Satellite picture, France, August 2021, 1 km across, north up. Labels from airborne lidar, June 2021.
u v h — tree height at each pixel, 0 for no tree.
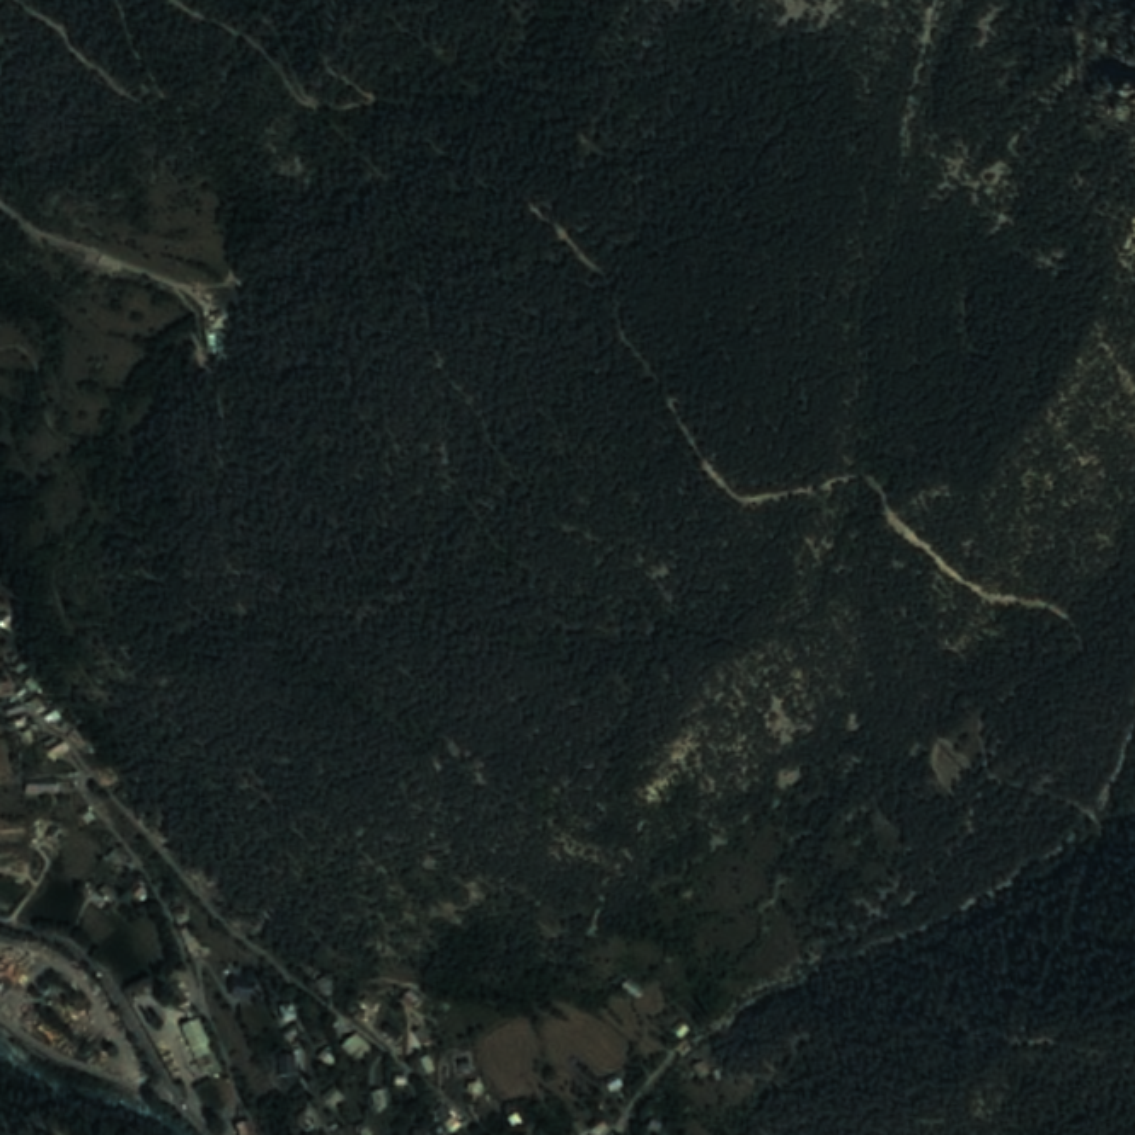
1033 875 12
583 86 12
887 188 8
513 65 11
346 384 7
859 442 12
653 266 11
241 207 12
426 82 14
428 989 11
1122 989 12
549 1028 0
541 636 9
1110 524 9
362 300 14
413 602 11
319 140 7
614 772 7
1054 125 9
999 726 10
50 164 8
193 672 7
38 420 6
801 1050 11
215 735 9
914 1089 9
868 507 11
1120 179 9
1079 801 6
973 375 13
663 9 6
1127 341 8
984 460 11
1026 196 7
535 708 9
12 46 11
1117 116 8
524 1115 9
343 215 10
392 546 14
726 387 11
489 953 8
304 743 7
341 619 7
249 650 10
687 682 9
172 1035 0
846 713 7
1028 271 9
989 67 11
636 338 10
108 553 10
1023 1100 8
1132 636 10
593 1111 11
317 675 5
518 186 13
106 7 9
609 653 7
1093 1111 12
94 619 9
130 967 0
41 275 6
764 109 12
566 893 7
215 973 0
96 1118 23
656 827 10
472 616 8
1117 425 7
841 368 7
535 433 11
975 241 10
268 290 12
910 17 5
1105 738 7
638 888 10
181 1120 9
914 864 8
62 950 10
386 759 7
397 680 7
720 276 11
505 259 9
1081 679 9
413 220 14
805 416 11
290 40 12
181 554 10
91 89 11
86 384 7
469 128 12
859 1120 6
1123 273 8
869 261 8
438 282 9
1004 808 9
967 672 11
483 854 7
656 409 10
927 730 10
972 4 6
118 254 0
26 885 0
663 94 11
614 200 11
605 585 9
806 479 9
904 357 10
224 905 6
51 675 17
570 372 10
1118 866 6
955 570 9
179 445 11
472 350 6
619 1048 0
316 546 8
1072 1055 9
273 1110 9
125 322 0
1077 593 7
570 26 15
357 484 11
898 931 10
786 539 9
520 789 9
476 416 7
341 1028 0
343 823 9
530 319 8
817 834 10
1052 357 13
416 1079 10
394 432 9
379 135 12
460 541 10
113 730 13
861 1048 11
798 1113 7
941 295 9
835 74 8
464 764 10
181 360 7
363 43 9
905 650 7
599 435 11
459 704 8
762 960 0
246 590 10
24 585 13
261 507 10
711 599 10
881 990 11
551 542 9
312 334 9
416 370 9
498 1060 0
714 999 6
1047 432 8
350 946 13
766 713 7
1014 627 13
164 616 11
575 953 10
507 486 7
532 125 7
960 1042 10
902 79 6
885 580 7
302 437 7
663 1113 8
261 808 8
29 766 8
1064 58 7
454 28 12
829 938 12
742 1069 6
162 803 15
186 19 10
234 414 7
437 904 6
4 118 8
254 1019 0
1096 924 12
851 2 6
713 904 0
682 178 10
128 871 9
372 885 8
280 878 11
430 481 6
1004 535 8
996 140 8
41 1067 7
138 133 8
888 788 8
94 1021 0
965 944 11
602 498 8
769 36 11
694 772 7
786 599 6
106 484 6
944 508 7
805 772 8
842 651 6
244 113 13
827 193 11
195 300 0
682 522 7
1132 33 6
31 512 8
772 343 8
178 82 10
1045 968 12
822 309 9
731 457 8
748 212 10
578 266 12
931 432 14
